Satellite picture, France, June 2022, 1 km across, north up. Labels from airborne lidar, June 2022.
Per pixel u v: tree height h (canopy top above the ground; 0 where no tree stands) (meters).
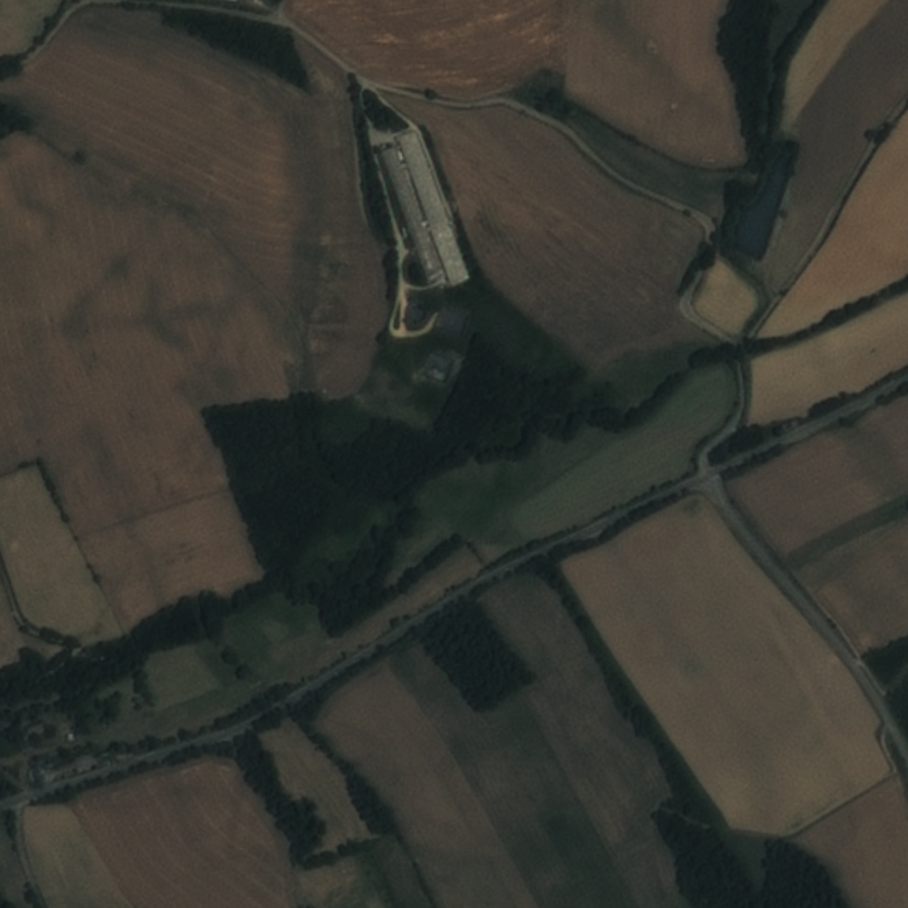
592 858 0
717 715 0
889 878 0
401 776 0
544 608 0
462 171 0
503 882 0
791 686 0
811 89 0
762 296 0
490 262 0
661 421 0
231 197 0
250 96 0
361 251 0
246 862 0
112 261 0
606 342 0
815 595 0
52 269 0
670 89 0
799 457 0
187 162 0
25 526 0
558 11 0
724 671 0
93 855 0
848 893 0
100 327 0
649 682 0
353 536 0
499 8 0
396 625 16
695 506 0
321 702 13
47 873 0
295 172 0
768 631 0
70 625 0
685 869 11
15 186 0
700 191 0
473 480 0
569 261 0
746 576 0
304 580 0
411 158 0
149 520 0
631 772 0
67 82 0
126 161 0
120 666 16
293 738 0
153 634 16
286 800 19
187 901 0
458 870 0
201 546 0
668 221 0
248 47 6
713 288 0
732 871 12
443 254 0
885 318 0
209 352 0
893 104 0
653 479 0
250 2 0
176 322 0
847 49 0
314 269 0
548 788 0
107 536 0
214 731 13
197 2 8
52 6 0
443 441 16
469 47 0
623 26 0
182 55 0
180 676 0
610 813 0
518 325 0
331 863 17
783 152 8
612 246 0
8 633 0
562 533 8
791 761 0
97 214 0
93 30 0
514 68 0
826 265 0
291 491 11
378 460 12
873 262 0
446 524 0
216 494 0
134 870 0
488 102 0
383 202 7
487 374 15
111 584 0
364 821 15
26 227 0
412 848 0
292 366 0
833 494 0
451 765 0
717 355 18
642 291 0
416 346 0
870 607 0
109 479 0
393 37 0
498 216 0
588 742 0
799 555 0
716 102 0
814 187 0
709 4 0
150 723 0
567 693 0
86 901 0
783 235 0
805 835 0
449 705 0
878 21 0
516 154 0
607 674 9
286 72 5
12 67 15
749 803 0
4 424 0
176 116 0
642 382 0
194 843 0
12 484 0
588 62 0
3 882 0
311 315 0
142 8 10
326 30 0
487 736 0
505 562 8
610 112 0
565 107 7
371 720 0
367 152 11
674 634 0
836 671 0
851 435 0
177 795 0
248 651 0
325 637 0
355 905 0
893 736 0
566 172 0
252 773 18
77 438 0
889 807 0
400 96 0
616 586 0
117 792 0
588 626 14
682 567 0
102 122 0
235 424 11
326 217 0
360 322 0
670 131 0
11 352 0
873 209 0
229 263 0
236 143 0
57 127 0
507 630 0
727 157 0
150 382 0
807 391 0
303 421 11
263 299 0
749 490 0
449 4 0
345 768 17
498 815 0
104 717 8
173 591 0
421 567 7
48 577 0
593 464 0
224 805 0
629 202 0
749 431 17
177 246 0
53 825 0
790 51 18
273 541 14
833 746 0
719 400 0
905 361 0
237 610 16
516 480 0
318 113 0
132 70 0
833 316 17
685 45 0
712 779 0
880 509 0
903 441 0
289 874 0
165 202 0
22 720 14
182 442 0
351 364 0
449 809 0
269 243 0
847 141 0
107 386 0
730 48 19
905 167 0
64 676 10
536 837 0
